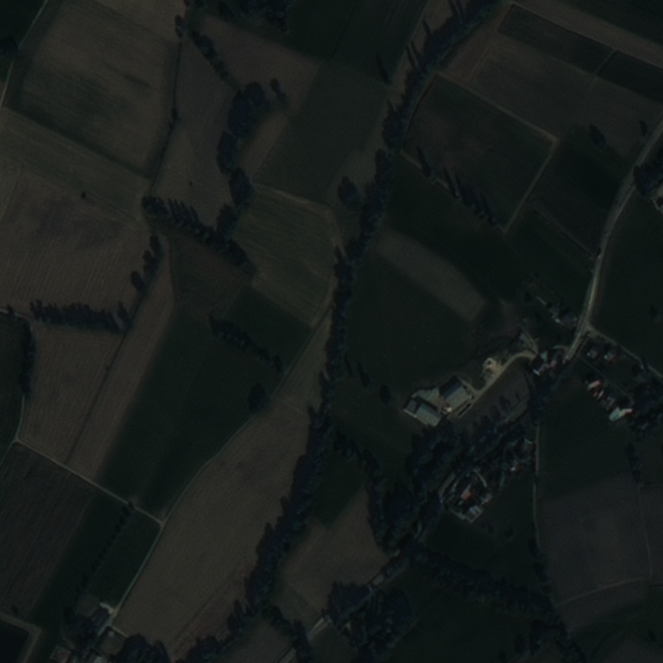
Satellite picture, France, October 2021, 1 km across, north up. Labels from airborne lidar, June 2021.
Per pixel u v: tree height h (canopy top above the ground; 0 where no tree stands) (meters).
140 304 0
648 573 0
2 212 0
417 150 0
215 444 0
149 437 0
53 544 0
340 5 0
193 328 0
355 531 0
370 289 0
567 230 0
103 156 0
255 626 0
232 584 0
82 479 0
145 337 0
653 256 0
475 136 0
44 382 0
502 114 0
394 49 0
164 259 0
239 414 0
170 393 0
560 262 0
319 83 0
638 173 0
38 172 0
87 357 0
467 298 0
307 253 0
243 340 17
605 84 0
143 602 0
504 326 0
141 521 0
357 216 0
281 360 0
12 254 0
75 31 0
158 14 0
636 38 0
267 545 0
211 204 0
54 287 0
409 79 0
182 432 0
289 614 0
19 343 0
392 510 0
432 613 0
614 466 0
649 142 0
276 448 0
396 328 0
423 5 0
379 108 0
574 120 0
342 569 0
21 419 0
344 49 0
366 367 0
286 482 0
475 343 0
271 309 0
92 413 0
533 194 0
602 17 0
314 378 0
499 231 0
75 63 0
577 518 0
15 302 0
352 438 0
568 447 0
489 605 13
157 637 0
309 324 0
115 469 0
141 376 0
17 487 0
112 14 0
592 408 0
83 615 0
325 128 0
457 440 18
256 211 0
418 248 0
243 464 0
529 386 0
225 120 0
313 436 0
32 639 0
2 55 12
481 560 0
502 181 0
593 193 0
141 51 0
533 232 0
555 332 0
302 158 0
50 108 0
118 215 0
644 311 0
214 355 0
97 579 0
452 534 0
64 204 0
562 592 0
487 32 0
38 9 0
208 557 0
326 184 0
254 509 0
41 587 0
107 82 0
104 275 0
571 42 0
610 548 0
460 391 0
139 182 0
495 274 0
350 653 0
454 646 0
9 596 0
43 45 0
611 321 0
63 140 0
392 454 0
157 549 0
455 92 0
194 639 0
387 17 0
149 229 0
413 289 0
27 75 0
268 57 0
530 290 0
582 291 0
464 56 0
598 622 0
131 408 0
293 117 0
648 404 15
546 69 0
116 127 0
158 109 0
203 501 0
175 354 0
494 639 0
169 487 0
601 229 0
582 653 0
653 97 0
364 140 0
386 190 15
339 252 0
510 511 0
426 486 27
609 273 0
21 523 0
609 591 0
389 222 0
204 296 0
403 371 0
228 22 14
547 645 8
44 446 0
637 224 0
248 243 0
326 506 0
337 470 0
